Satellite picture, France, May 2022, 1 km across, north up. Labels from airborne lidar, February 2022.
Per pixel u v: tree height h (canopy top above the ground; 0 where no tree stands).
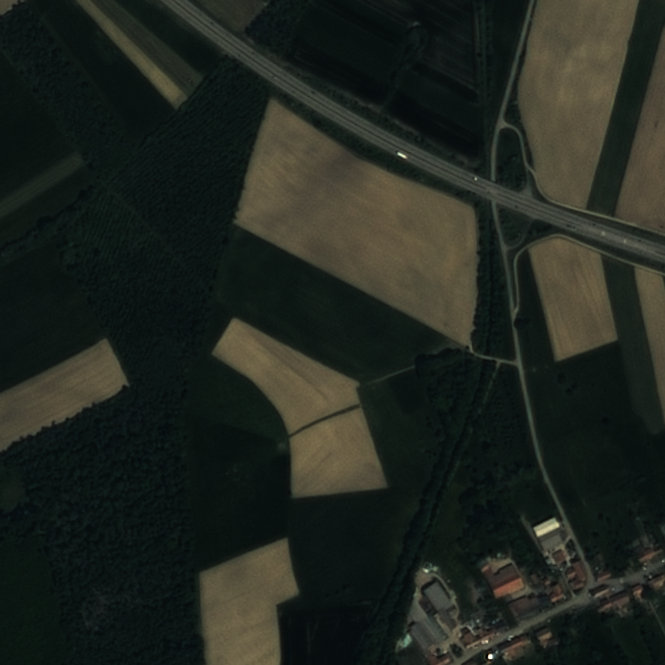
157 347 9
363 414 0
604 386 0
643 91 0
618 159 0
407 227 0
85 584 20
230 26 0
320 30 0
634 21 0
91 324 0
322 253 0
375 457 0
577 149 0
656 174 0
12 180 0
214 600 0
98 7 0
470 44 0
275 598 0
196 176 6
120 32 0
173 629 14
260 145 0
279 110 0
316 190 0
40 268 0
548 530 0
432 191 0
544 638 0
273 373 0
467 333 0
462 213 0
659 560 0
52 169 0
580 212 0
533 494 0
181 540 14
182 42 0
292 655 0
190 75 0
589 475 0
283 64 0
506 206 0
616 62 0
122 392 7
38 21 9
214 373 0
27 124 0
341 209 0
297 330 0
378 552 0
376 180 0
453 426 21
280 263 0
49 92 8
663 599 0
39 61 11
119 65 0
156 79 0
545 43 0
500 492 19
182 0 0
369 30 0
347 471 0
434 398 18
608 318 0
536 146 0
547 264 0
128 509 24
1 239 0
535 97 0
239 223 0
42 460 17
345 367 0
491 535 17
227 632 0
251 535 0
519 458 0
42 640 8
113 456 26
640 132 0
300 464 0
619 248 0
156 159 5
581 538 0
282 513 0
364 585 0
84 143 6
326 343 0
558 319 0
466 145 0
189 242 8
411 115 0
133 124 0
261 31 16
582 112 0
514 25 0
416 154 0
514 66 0
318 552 0
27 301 0
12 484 0
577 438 0
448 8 0
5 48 8
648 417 0
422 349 0
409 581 13
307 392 0
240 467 0
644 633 11
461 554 0
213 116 7
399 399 0
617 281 0
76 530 29
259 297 0
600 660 11
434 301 0
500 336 11
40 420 0
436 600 0
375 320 0
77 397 0
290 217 0
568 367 0
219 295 0
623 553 10
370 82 0
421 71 0
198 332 16
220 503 0
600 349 0
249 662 0
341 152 0
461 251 0
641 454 0
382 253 0
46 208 0
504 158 0
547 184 0
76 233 8
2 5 0
